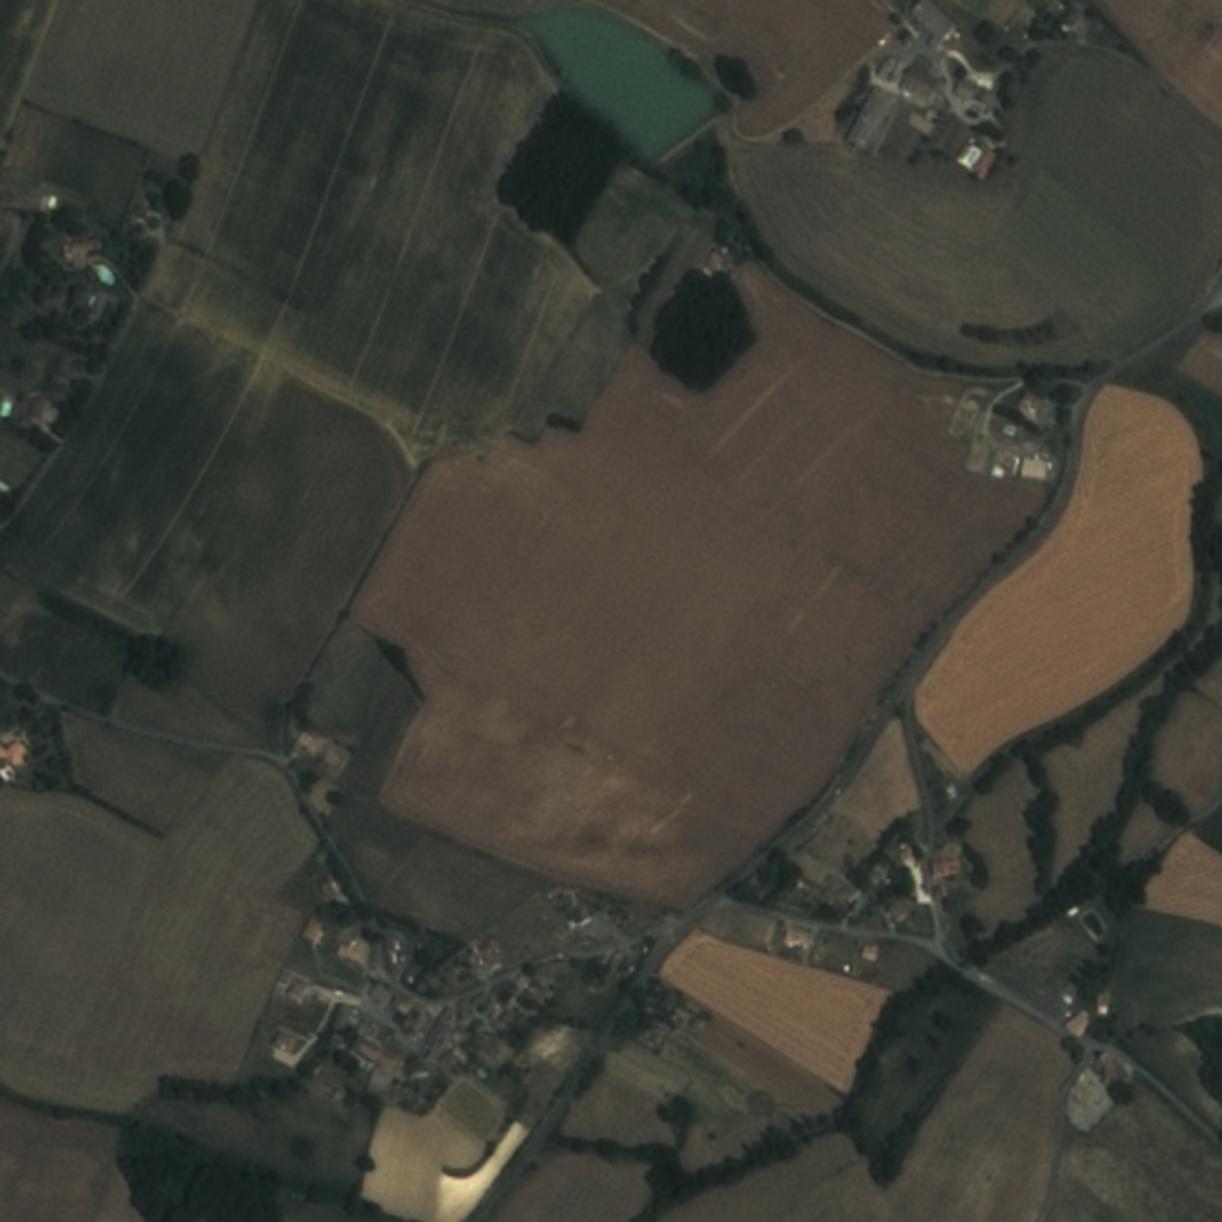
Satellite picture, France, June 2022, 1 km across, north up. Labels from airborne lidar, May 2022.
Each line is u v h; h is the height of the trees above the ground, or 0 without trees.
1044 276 0
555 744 0
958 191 0
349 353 0
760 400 0
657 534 0
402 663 13
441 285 0
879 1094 0
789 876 8
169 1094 10
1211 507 16
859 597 0
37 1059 0
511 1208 0
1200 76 0
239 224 0
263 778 0
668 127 0
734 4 0
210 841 0
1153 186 0
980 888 8
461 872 0
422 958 10
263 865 0
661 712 0
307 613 0
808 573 0
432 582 0
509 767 0
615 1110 0
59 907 0
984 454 0
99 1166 0
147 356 0
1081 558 0
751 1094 0
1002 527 0
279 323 0
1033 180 0
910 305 0
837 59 0
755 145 0
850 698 0
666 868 0
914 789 0
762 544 0
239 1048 0
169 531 0
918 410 0
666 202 0
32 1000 0
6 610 0
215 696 0
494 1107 0
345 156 0
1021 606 0
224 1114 0
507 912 0
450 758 0
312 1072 12
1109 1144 0
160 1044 0
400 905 0
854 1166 0
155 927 0
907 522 0
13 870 0
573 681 0
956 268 0
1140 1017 0
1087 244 0
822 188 0
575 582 0
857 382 0
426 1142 0
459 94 0
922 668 0
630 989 9
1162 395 0
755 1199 0
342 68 0
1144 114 0
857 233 0
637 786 0
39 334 15
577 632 0
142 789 0
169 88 0
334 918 8
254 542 0
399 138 0
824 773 0
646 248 0
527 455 0
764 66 0
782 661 0
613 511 0
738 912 0
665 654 0
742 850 0
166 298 0
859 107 8
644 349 0
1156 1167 0
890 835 9
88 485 0
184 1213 17
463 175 0
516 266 0
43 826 0
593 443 0
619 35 0
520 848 0
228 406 0
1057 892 13
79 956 0
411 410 0
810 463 0
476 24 0
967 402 0
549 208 18
